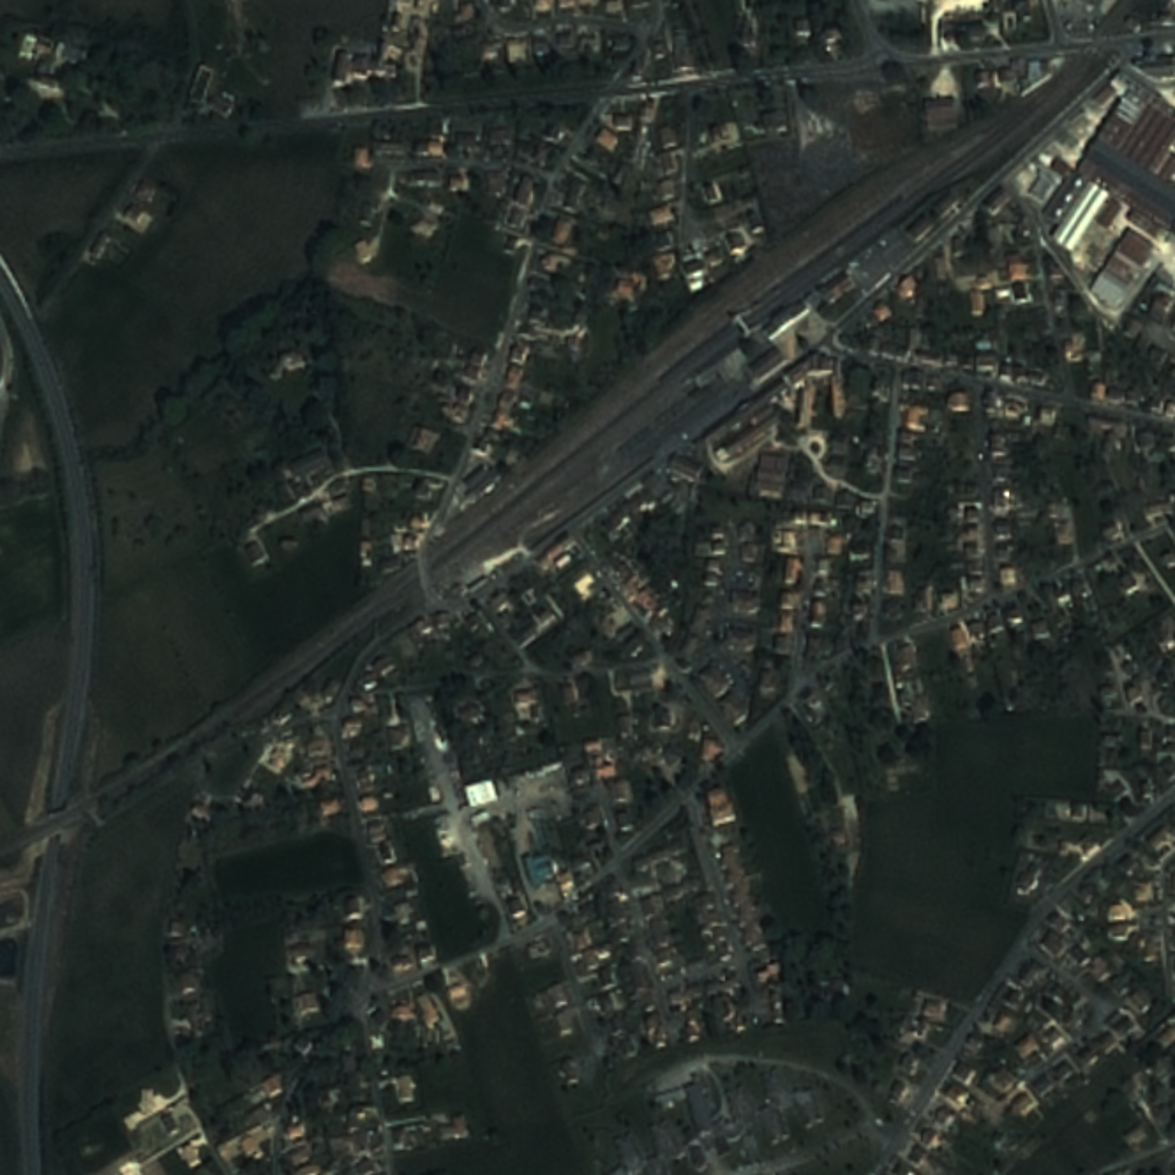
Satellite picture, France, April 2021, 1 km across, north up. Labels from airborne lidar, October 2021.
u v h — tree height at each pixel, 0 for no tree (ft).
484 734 37
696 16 25
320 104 22
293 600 0
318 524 28
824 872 26
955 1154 0
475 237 0
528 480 0
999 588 24
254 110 31
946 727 0
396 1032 48
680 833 31
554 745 31
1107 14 0
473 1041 0
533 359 18
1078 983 0
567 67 58
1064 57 0
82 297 0
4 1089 0
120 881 0
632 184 0
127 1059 0
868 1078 27
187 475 24
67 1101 0
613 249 0
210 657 0
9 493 50
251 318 39
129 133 60
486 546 0
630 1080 0
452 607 0
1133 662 25
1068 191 0
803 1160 0
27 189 0
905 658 0
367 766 23
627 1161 0
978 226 21
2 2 0
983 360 0
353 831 44
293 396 0
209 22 0
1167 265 0
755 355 66
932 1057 25
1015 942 0
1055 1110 0
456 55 32
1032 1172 0
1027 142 0
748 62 56
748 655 23
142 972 0
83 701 0
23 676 0
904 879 0
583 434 0
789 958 76
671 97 22
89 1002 0
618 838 19
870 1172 0
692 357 0
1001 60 0
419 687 0
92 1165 0
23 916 0
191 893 35
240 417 30
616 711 29
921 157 0
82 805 0
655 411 0
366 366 21
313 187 0
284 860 0
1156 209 0
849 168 0
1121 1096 28
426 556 0
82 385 0
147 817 0
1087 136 0
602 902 27
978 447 0
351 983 70
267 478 41
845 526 23
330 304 61
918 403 22
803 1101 0
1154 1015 31
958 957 0
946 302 51
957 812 0
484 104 0
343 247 52
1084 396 0
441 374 25
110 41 25
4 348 0
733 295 0
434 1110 0
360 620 0
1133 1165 0
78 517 0
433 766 0
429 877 0
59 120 65
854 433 0
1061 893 0
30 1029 0
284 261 0
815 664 29
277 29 0
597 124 19
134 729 0
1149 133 0
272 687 0
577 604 26
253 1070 60
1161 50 0
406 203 0
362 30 0
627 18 27
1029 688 25
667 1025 22
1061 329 32
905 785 0
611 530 0
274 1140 0
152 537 22
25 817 0
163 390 0
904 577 21
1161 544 0
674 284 25
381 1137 0
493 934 0
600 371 26
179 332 0
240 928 47
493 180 0
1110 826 32
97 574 22
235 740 24
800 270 0
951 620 0
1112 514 35
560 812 0
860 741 46
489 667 19
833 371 0
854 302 0
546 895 0
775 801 0
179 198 21
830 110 0
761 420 0
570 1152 0
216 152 0
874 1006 42
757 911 20
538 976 0
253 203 0
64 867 0
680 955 31
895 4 0
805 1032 0
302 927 36
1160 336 0
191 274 0
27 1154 0
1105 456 21
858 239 0
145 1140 0
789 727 33
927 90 21
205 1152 0
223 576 0
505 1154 0
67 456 0
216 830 56
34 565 0
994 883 0
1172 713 25
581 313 53
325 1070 40
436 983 31
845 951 32
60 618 0
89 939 0
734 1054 0
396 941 81
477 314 0
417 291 0
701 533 18
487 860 0
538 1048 0
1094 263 0
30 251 0
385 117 0
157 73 56
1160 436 19
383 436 0
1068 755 0
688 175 0
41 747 0
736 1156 0
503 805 0
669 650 41
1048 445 46
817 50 52
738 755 0
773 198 0
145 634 0
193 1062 73
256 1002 0
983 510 0
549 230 41
